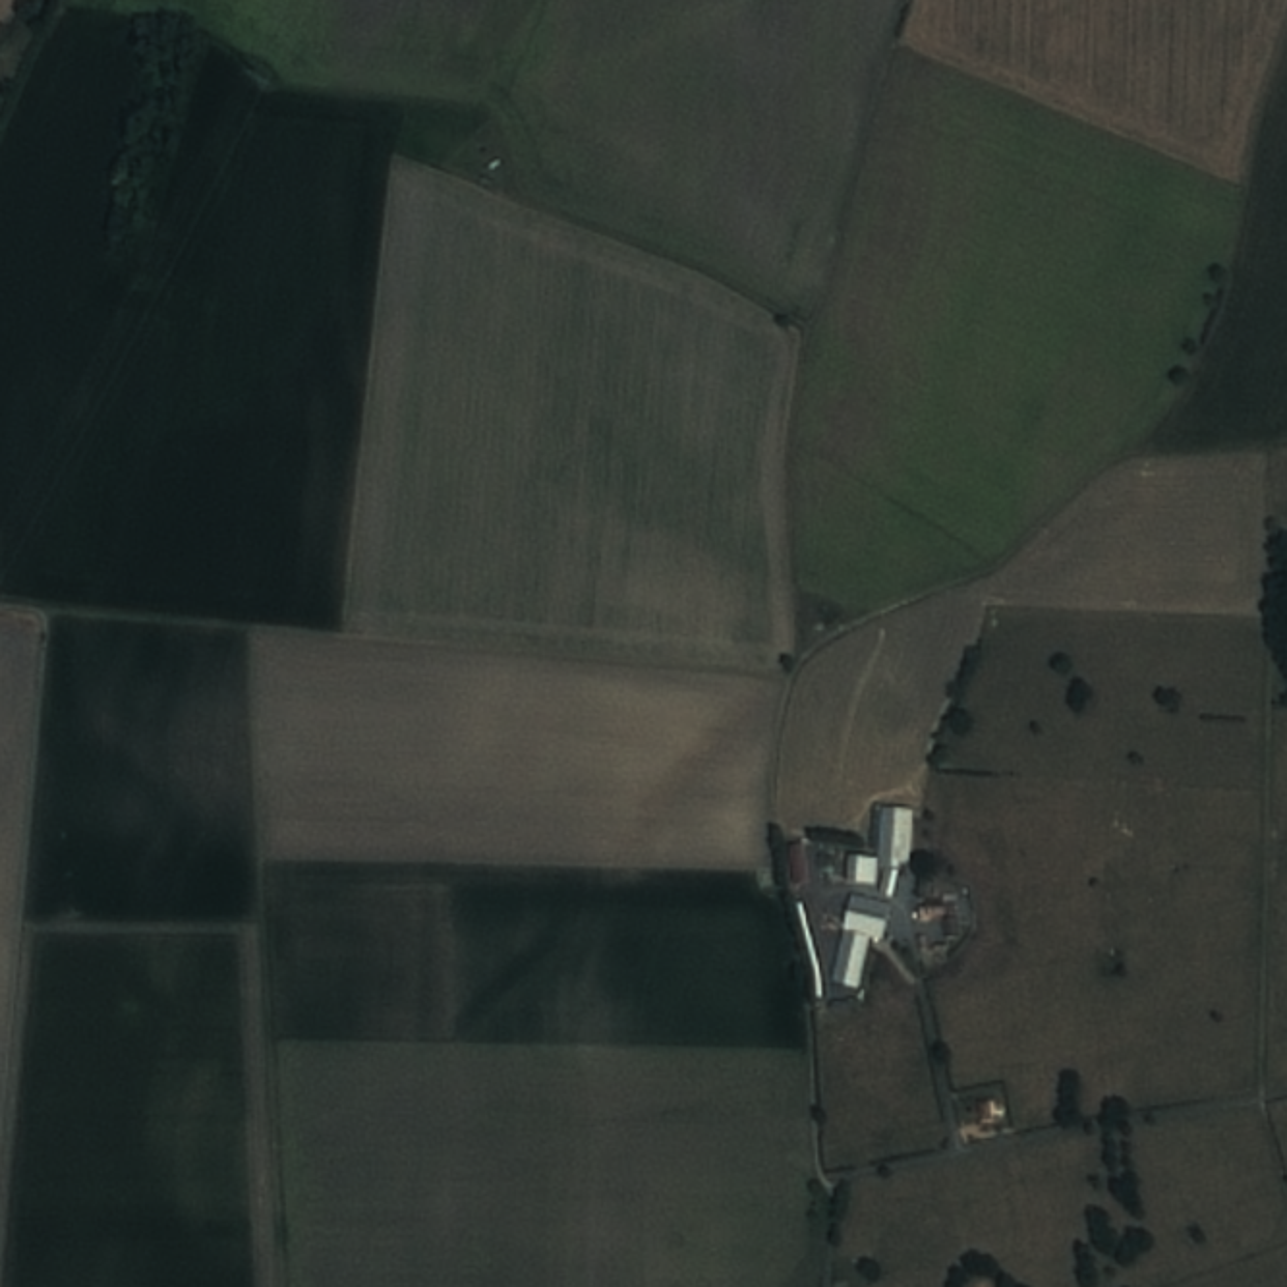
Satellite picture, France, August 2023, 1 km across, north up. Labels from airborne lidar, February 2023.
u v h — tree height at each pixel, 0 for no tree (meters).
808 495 0
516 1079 0
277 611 0
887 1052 0
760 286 0
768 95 0
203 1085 0
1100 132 0
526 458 0
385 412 0
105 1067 0
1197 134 0
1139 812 0
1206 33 0
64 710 0
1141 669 0
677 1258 0
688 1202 0
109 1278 0
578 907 0
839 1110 0
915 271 0
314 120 0
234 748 0
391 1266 0
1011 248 0
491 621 0
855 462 0
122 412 0
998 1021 0
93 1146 0
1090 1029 0
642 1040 0
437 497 0
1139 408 0
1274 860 0
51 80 0
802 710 0
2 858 0
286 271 0
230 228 0
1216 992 0
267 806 0
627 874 0
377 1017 0
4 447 0
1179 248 0
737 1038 0
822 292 0
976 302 0
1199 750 0
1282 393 0
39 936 0
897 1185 0
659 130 0
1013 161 0
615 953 0
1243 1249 0
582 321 0
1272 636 11
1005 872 0
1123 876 0
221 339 0
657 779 0
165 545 0
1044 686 0
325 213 0
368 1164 0
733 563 0
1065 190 0
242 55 0
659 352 0
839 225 0
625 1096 0
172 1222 0
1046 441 0
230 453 0
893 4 0
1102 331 0
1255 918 0
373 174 0
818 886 0
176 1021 0
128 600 0
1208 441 0
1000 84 0
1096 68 0
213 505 0
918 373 0
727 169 0
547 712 0
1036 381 0
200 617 0
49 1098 0
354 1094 0
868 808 0
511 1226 0
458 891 0
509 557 0
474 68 0
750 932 0
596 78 0
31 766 0
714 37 0
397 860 0
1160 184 0
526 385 0
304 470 0
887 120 0
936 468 0
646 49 0
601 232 0
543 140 0
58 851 0
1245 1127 0
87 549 0
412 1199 0
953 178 0
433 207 0
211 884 0
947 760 11
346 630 0
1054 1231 0
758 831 0
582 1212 0
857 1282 0
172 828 0
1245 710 0
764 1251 0
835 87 0
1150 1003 0
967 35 0
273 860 0
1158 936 0
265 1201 0
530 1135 0
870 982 0
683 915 0
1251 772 0
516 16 0
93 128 0
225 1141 0
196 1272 0
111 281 0
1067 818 0
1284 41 0
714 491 0
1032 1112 0
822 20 0
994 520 0
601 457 0
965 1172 0
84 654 0
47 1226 0
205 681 0
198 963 0
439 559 0
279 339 0
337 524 0
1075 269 0
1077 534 0
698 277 0
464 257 0
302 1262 0
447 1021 0
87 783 0
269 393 0
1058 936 0
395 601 0
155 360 0
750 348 0
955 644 0
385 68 0
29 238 0
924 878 13
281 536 0
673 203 0
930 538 0
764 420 0
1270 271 0
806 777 0
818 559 0
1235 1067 0
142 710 0
